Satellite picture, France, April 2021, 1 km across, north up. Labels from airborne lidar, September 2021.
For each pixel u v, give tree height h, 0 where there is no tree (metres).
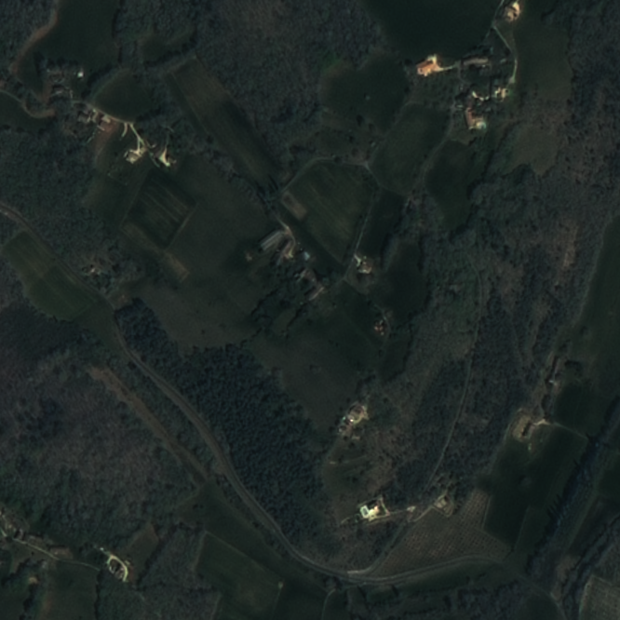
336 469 0
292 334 7
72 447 18
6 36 22
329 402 0
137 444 16
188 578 21
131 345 18
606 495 0
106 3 0
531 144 0
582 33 24
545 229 14
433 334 22
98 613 17
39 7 28
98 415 11
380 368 0
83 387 12
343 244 0
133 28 27
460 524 0
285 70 20
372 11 0
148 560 0
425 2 0
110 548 19
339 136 6
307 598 0
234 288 0
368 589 7
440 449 10
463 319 14
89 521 12
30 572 21
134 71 19
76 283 0
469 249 21
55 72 17
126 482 16
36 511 23
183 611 19
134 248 0
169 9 24
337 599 0
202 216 0
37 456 21
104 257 17
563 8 15
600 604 0
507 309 12
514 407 16
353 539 13
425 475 10
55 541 0
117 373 22
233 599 0
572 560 0
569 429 0
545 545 15
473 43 0
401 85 0
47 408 16
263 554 0
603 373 0
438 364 22
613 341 0
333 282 14
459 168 0
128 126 0
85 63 0
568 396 0
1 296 14
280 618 0
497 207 26
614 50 23
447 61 0
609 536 10
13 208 23
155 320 17
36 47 0
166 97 20
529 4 0
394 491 11
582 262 19
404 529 8
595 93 18
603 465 34
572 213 17
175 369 11
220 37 17
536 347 11
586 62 21
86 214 16
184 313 0
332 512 9
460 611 8
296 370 0
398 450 10
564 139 16
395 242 19
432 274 16
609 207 17
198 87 0
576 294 22
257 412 15
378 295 0
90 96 17
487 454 7
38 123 0
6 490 15
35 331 8
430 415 12
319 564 0
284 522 14
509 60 16
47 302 0
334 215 0
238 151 0
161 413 24
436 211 19
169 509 23
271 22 11
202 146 19
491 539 0
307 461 8
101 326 0
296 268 14
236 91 23
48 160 18
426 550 0
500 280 12
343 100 0
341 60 16
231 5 15
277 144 21
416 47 0
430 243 20
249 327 0
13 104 0
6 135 18
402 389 14
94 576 0
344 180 0
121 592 20
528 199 23
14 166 22
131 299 0
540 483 0
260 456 18
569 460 0
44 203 19
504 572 0
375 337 0
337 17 23
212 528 0
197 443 22
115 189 0
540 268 9
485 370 19
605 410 0
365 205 0
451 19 0
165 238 0
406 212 12
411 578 0
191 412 0
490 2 0
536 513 0
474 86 6
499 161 21
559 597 0
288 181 0
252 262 0
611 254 0
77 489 24
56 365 26
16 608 0
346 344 0
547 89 0
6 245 16
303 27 19
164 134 20
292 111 27
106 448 20
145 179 0
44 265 0
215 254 0
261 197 13
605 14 24
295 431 6
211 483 0
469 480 15
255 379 14
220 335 0
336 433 13
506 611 16
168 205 0
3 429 16
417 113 0
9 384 7
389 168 0
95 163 21
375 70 0
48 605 0
